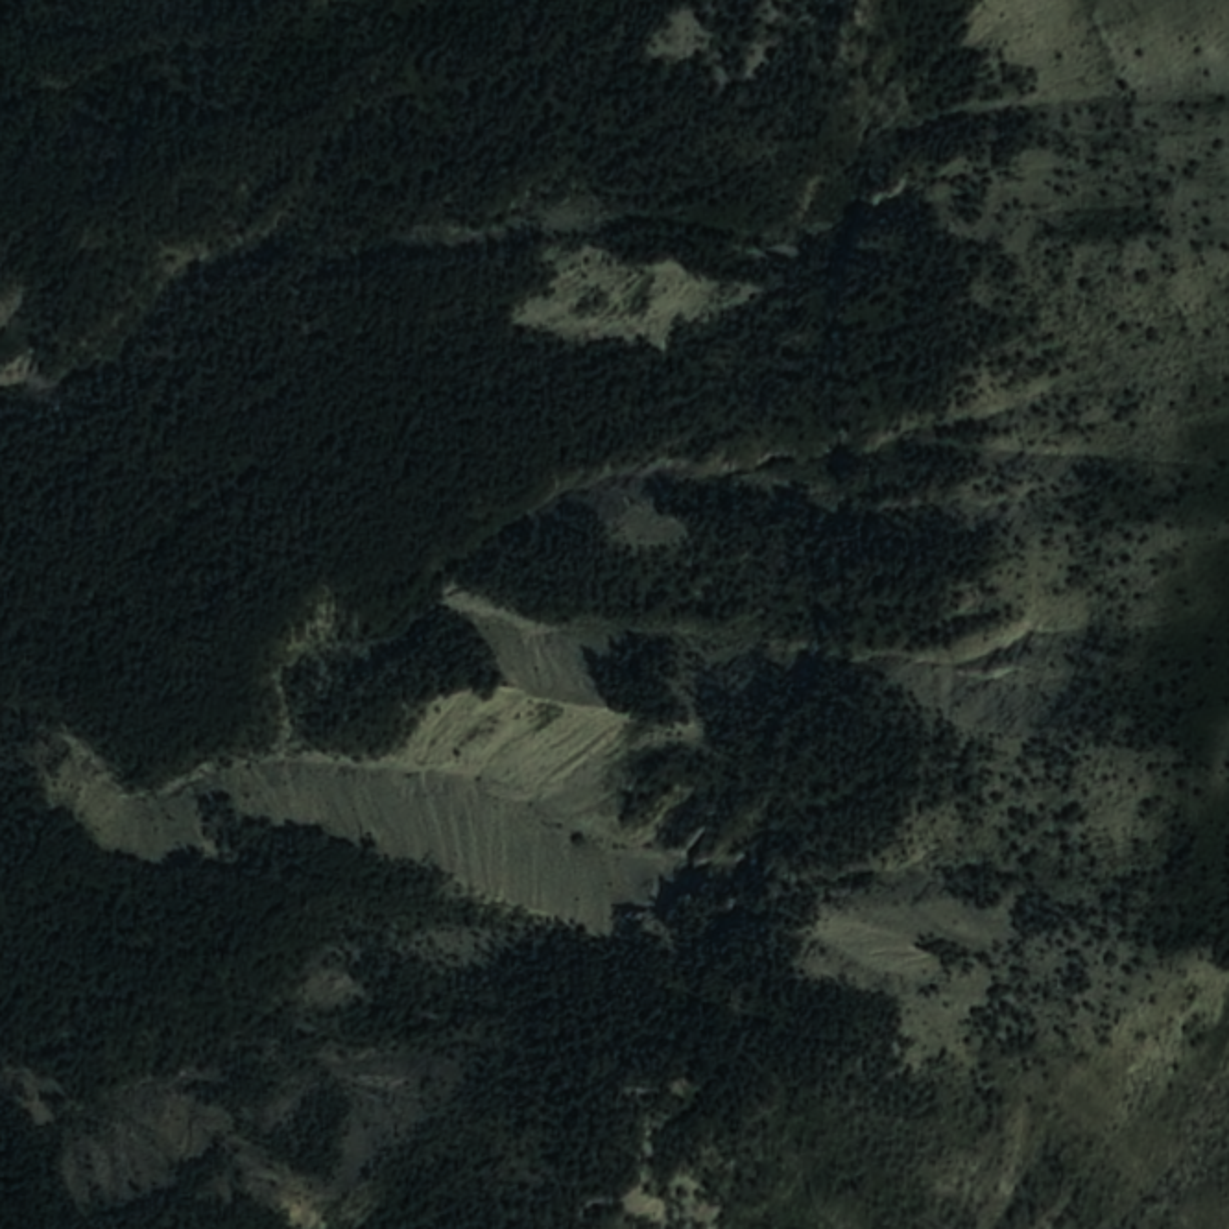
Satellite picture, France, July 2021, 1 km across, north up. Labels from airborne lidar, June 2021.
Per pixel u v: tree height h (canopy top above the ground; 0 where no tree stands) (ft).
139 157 48
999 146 30
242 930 36
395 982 32
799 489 40
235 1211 22
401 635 24
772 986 43
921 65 37
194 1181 22
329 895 31
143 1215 26
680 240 38
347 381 35
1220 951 23
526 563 28
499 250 38
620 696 34
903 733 23
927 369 35
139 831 0
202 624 39
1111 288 0
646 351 50
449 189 21
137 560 54
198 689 26
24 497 58
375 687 44
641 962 52
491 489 39
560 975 49
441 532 40
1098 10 0
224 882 52
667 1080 24
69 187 46
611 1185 30
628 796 19
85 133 42
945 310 30
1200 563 0
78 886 40
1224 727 0
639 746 0
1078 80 0
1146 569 0
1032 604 0
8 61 43
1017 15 0
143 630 45
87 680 58
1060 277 18
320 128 43
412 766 0
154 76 23
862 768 39
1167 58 0
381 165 52
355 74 32
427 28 45
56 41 70
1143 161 0
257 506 47
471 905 24
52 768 26
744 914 43
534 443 53
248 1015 31
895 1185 33
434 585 28
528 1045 31
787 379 36
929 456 38
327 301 28
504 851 0
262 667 18
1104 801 0
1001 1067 0
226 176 29
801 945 21
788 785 27
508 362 41
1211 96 0
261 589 37
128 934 53
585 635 0
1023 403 0
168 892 40
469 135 47
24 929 36
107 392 35
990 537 22
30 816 49
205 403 41
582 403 45
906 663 0
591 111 49
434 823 0
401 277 47
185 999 41
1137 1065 0
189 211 52
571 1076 48
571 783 0
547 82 50
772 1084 26
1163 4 0
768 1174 51
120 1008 40
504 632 0
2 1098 33
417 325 48
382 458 52
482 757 0
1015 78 29
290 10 46
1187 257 0
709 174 62
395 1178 25
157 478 28
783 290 25
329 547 45
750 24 36
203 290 33
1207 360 0
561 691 0
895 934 0
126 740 28
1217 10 0
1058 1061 0
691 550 37
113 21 56
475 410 49
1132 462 0
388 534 49
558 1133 33
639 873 0
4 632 53
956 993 0
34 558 56
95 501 45
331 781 0
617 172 39
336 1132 34
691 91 37
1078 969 27
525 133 55
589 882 0
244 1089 27
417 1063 0
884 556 44
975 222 20
